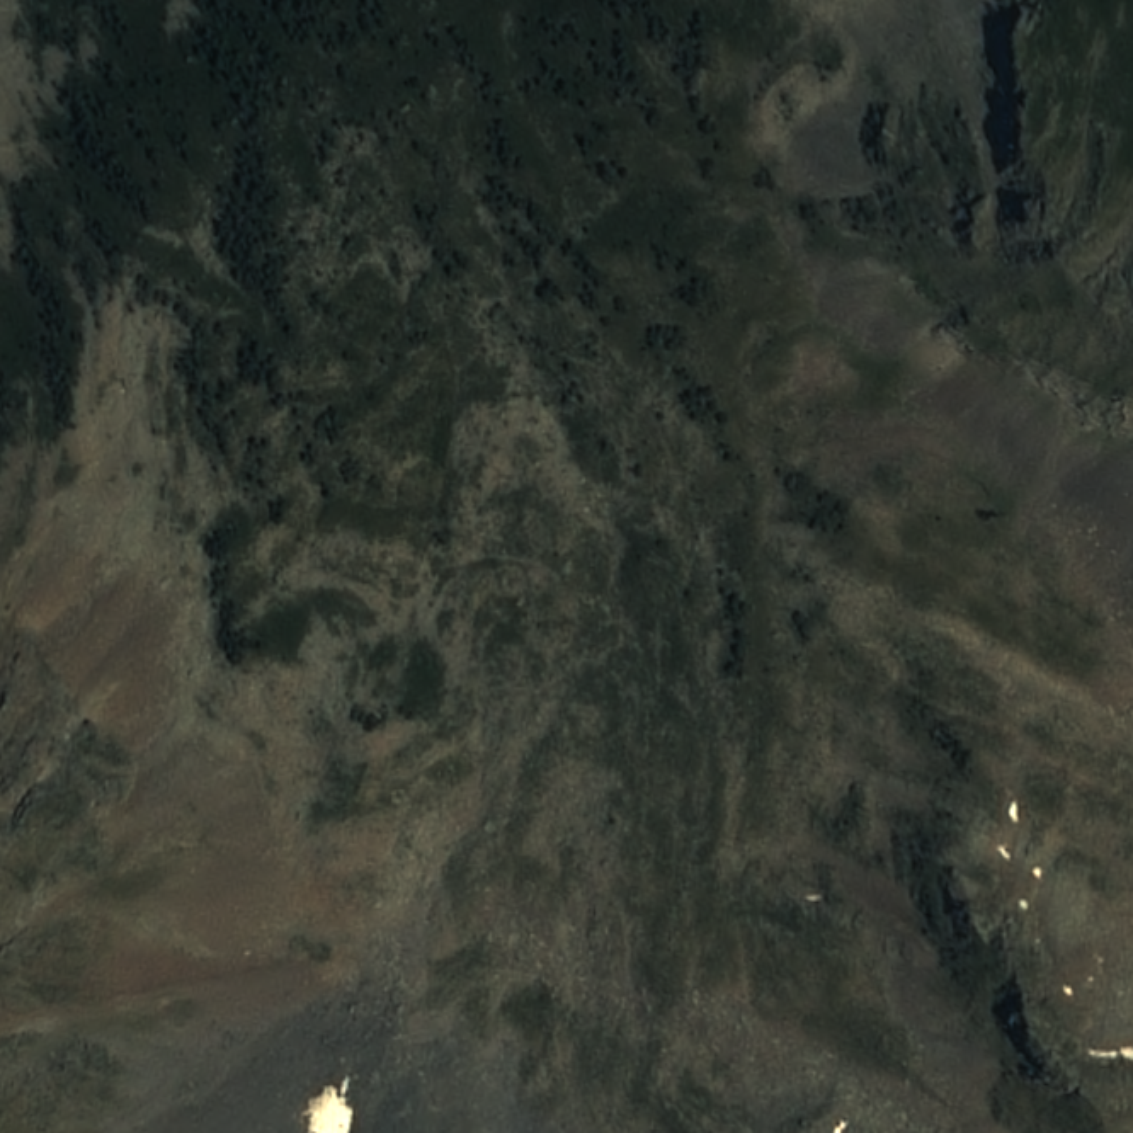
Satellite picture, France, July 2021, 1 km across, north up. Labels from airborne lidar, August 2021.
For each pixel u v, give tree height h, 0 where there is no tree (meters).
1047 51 0
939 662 0
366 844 0
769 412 0
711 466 0
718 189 0
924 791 0
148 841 0
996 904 0
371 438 0
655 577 0
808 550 0
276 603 0
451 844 0
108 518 0
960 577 0
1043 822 0
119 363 0
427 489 0
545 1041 0
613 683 0
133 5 0
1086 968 0
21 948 0
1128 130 0
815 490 0
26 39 0
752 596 0
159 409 0
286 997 0
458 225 0
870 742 0
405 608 0
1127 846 0
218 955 0
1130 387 0
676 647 0
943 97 0
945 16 0
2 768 0
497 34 0
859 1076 0
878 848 0
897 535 0
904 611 0
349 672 0
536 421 0
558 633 0
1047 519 0
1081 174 0
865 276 0
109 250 6
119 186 10
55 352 8
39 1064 0
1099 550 0
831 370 0
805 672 0
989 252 0
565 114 0
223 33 8
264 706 0
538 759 0
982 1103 0
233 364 0
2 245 0
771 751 0
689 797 0
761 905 0
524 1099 0
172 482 0
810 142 0
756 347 0
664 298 0
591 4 0
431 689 0
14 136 0
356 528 0
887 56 0
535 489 0
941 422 0
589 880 0
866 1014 0
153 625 0
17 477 0
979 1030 0
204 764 0
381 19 7
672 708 0
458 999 0
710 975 0
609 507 0
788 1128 0
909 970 0
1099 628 0
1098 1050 0
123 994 0
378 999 0
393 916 0
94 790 0
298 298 0
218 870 0
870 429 0
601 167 9
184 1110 0
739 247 0
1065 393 0
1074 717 0
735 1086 0
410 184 0
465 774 0
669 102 0
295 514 0
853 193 0
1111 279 0
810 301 0
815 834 0
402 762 0
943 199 0
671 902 0
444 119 0
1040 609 0
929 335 0
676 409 0
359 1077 0
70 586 0
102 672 0
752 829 0
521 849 0
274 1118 0
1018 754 0
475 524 0
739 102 0
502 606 0
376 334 0
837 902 0
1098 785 0
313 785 0
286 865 0
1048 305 0
